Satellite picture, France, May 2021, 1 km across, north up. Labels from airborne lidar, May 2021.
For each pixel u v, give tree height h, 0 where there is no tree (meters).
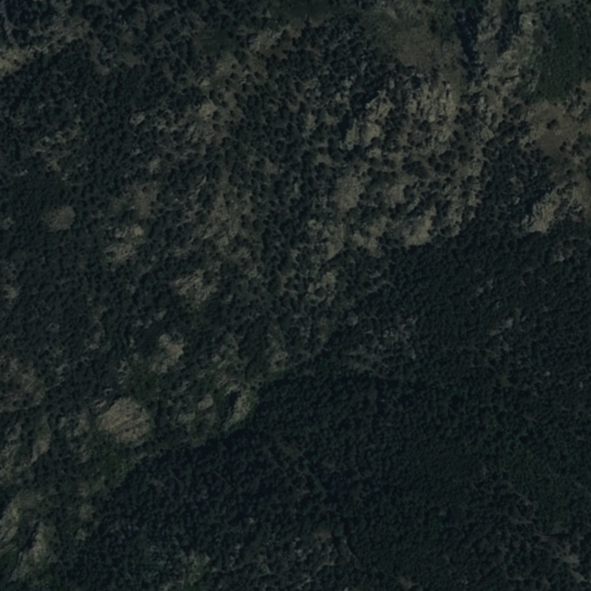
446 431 22
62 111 19
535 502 16
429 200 17
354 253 19
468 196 20
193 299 7
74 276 20
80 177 28
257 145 23
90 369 18
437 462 23
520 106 16
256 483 19
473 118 16
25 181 10
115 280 24
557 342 13
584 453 20
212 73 11
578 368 21
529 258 19
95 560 19
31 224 18
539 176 11
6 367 13
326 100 11
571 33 13
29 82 17
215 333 10
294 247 20
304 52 24
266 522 18
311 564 14
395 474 24
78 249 17
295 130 25
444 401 25
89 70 20
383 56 11
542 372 10
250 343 23
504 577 27
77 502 18
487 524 21
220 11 23
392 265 6
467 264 18
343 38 10
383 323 16
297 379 21
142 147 14
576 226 17
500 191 17
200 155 11
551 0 12
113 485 17
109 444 13
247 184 18
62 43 15
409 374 18
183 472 23
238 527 17
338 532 33
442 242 19
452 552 21
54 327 17
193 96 14
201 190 16
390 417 25
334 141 19
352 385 30
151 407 23
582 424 17
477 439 22
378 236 8
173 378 15
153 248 20
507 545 22
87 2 19
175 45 10
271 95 30
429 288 19
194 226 7
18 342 21
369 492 22
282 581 17
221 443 16
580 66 13
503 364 16
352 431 29
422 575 25
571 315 19
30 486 20
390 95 17
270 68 23
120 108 19
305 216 24
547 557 28
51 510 12
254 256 23
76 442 17
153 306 21
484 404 24
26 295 14
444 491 22
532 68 6
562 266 20
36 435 11
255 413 10
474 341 20
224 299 20
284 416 18
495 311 15
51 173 18
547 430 17
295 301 23
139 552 18
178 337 13
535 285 23
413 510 23
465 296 21
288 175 18
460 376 28
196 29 16
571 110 8
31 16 18
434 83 14
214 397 7
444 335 18
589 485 15
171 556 12
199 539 28
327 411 34
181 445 10
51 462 8
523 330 21
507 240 20
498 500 21
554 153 0
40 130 15
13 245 15
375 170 20
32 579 11
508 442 15
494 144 20
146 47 15
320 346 22
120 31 14
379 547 25
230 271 10
